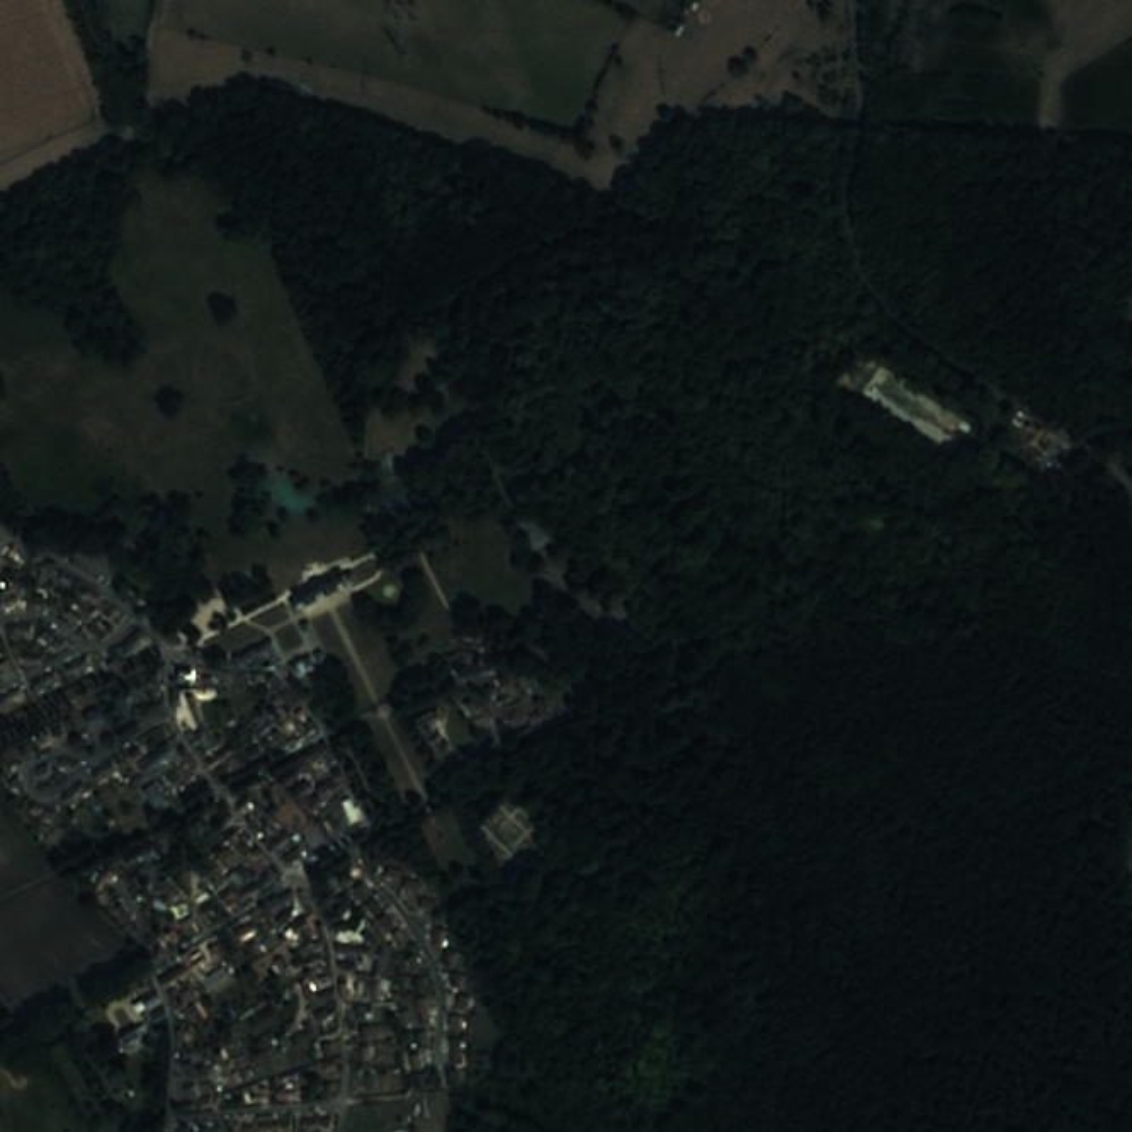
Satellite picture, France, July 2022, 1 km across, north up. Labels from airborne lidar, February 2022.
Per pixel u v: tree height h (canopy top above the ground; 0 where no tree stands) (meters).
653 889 28
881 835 15
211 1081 0
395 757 0
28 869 0
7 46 0
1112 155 24
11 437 0
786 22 0
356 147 22
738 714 23
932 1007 19
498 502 21
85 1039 22
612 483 26
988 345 15
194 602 21
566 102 0
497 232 21
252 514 30
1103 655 17
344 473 0
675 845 12
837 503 15
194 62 0
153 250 0
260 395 0
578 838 31
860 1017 15
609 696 31
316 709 9
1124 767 17
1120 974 22
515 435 33
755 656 21
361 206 23
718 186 21
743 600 24
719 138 20
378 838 18
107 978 24
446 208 22
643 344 30
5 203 13
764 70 0
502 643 11
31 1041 27
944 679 17
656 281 32
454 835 0
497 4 0
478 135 0
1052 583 13
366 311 17
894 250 13
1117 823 21
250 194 17
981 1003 21
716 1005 12
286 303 0
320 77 0
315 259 24
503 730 6
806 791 17
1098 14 0
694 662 30
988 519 18
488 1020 0
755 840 20
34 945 0
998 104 0
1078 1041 23
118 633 0
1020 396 10
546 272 32
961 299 18
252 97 11
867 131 17
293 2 0
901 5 16
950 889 17
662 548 25
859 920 17
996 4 0
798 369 15
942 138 18
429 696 24
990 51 0
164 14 0
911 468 19
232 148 15
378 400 16
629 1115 16
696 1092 26
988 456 16
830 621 26
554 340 24
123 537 19
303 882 0
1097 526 16
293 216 19
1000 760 14
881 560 11
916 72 7
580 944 15
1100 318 19
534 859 14
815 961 14
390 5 0
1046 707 20
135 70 26
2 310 0
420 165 21
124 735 14
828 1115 17
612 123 0
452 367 27
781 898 14
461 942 17
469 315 31
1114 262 18
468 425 20
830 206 18
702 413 13
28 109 0
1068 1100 22
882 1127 16
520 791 20
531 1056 18
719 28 0
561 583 0
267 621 0
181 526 22
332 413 0
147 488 0
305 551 0
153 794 0
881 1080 15
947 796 10
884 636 20
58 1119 0
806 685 20
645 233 34
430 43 0
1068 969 21
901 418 18
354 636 0
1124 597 16
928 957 18
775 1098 16
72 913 0
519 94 0
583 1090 17
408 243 21
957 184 16
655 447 14
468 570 0
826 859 16
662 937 14
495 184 29
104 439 0
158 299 0
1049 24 0
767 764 24
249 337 0
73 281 18
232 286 0
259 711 8
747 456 12
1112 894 21
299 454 0
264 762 7
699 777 20
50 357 0
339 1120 0
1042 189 14
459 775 23
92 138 0
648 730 16
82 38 13
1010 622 15
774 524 15
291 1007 6
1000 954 20
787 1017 16
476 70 0
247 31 0
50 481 0
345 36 0
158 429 0
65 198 19
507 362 32
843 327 18
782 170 20
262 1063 0
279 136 21
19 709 0
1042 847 20
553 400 26
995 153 10
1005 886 23
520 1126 21
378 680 0
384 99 0
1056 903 18
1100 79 0
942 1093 13
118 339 17
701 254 36
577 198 24
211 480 0
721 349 20
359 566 0
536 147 0
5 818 0
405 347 26
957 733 12
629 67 0
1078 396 19
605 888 33
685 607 25
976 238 13
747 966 16
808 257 16
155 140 14
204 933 0
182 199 0
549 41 0
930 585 25
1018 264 15
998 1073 24
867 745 18
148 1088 15
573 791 30
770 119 19
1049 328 15
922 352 18
